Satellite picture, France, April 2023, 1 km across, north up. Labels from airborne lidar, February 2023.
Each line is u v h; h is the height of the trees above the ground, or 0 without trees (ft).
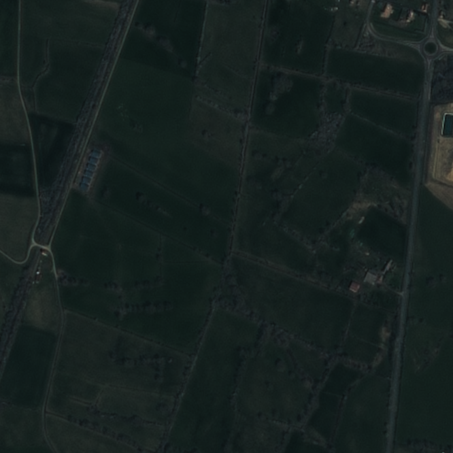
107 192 43
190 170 0
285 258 0
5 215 0
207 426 0
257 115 0
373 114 0
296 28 0
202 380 0
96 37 0
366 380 0
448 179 0
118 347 0
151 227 0
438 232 0
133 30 0
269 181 0
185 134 0
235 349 0
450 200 0
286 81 69
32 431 0
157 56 0
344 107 42
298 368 39
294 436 0
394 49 0
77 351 0
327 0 0
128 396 0
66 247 0
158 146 0
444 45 0
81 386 0
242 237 0
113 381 0
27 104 0
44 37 0
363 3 0
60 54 0
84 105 27
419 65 0
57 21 0
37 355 0
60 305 0
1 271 0
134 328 0
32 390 0
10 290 0
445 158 0
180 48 0
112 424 0
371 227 0
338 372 0
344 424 0
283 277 0
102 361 0
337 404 0
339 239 0
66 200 0
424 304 0
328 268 0
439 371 0
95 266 0
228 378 0
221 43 0
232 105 0
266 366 0
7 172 0
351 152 0
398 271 0
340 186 0
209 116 0
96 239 0
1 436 0
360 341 0
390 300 0
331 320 0
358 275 0
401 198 0
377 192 0
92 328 0
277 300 0
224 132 0
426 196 0
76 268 0
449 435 0
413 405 0
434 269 0
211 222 0
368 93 0
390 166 0
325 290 0
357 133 0
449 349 0
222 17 0
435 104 0
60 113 0
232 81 0
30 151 0
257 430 0
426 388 0
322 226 0
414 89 0
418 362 0
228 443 45
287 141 0
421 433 0
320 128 43
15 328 32
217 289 29
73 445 0
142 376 0
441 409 0
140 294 0
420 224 0
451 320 0
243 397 0
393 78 0
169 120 0
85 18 0
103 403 0
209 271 0
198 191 0
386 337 0
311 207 0
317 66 0
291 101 0
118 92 0
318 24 0
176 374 0
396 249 0
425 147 0
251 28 0
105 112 0
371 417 0
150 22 0
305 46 0
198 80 45
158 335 0
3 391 0
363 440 0
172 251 0
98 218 0
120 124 0
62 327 0
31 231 0
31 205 0
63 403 0
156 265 0
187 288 0
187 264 0
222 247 0
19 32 0
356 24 0
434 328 0
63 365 0
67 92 0
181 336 0
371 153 0
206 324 20
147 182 0
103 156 0
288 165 37
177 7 0
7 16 0
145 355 0
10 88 0
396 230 0
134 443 36
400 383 18
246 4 0
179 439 0
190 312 0
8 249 0
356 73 0
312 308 0
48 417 0
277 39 0
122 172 0
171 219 0
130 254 0
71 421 42
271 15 0
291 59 0
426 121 0
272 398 0
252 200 0
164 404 0
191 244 0
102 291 0
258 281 0
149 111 0
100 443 0
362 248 0
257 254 0
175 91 0
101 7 0
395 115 0
